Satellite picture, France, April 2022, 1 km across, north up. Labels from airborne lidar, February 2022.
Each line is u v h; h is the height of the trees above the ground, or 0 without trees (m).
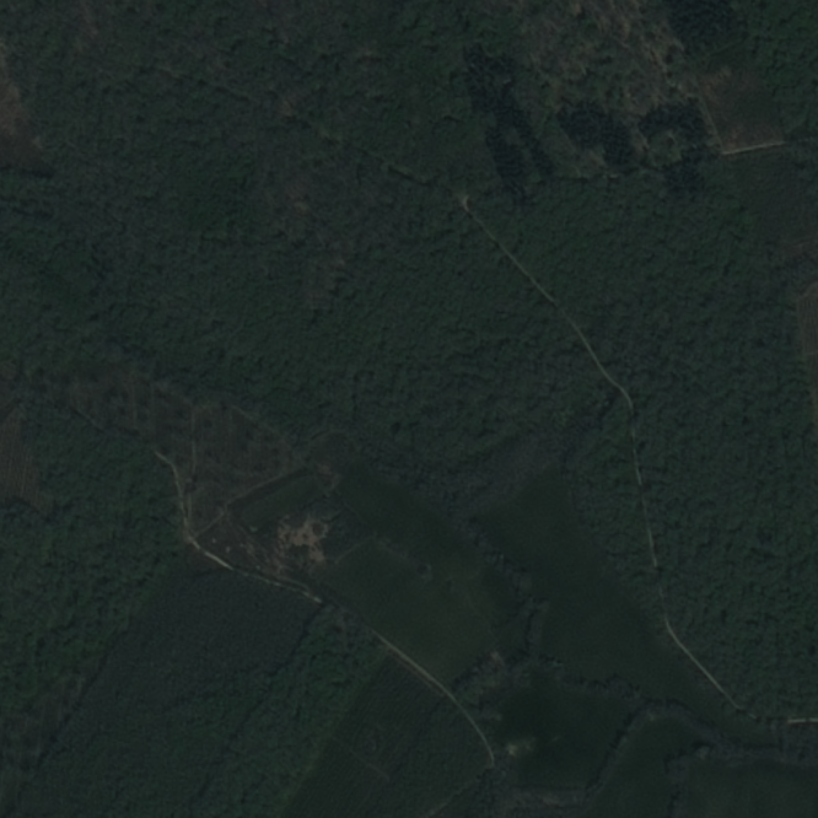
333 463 0
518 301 27
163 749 21
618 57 26
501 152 21
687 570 23
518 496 0
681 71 23
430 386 26
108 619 19
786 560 24
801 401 26
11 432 0
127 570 25
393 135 24
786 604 25
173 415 0
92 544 23
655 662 0
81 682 24
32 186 26
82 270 26
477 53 19
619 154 25
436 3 21
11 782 26
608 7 24
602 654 0
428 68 18
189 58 25
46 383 24
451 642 0
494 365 27
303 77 28
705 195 24
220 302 21
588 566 0
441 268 27
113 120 26
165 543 22
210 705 18
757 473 26
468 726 8
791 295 26
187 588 15
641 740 0
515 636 0
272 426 25
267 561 0
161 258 23
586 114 21
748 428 22
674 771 16
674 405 25
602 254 26
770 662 24
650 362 26
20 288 24
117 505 26
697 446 26
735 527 27
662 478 21
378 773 0
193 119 23
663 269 26
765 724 12
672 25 22
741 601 25
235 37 21
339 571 0
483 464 16
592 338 22
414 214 29
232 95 22
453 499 14
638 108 19
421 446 24
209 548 0
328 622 19
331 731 27
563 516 0
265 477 19
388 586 0
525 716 0
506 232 21
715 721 0
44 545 23
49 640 25
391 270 24
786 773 0
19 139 0
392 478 15
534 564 0
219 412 0
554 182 15
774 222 8
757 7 19
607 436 21
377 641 18
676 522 24
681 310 24
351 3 25
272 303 22
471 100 21
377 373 25
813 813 0
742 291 21
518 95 19
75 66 26
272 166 26
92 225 27
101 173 27
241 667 15
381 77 23
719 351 27
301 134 25
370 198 28
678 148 21
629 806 0
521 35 21
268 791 28
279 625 17
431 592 0
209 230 20
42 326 24
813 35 21
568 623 0
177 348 22
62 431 22
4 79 0
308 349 24
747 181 7
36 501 0
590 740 0
